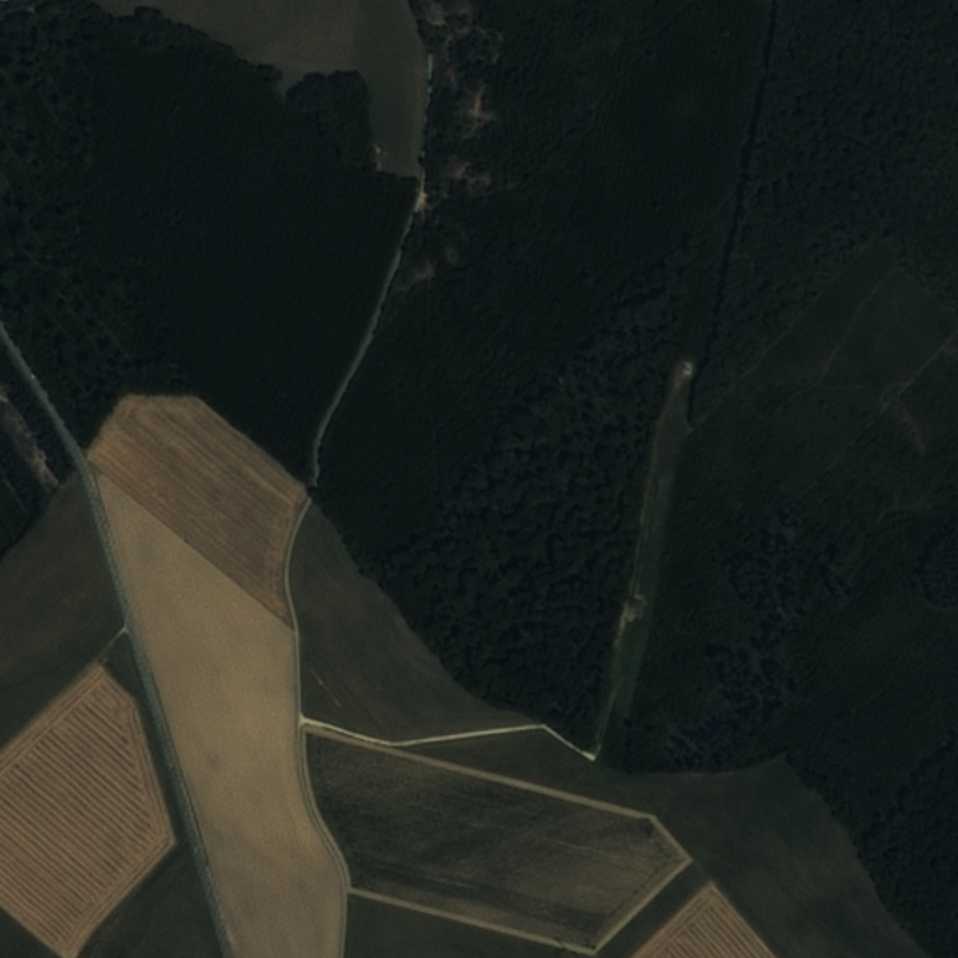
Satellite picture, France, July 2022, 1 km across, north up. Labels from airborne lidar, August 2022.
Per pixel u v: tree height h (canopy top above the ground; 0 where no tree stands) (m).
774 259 20
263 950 0
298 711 0
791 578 25
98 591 0
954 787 22
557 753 0
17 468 24
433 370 8
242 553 0
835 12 20
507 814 0
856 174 19
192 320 9
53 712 0
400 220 7
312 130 9
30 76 21
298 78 0
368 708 0
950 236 15
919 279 12
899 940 0
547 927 0
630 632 0
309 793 0
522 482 20
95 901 0
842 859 0
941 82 15
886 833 20
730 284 17
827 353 0
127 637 0
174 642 0
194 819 0
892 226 17
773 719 33
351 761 0
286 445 8
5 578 0
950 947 16
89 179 7
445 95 13
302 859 0
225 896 0
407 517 10
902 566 6
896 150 19
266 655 0
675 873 0
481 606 22
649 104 8
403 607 13
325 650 0
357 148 23
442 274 10
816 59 19
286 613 0
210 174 8
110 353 23
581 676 23
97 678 0
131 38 19
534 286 7
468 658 7
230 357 7
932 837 22
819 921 0
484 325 8
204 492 0
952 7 14
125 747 0
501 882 0
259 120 7
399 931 0
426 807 0
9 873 0
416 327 6
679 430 0
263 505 0
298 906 0
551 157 7
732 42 6
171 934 0
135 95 6
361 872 0
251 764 0
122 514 0
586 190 9
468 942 0
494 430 8
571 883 0
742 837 0
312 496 11
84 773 0
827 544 8
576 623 28
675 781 0
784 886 0
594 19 6
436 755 0
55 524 0
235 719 0
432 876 0
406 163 0
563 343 7
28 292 7
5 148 22
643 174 6
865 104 19
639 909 0
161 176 6
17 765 0
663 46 7
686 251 19
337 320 7
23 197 7
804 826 0
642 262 8
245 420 9
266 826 0
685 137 6
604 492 25
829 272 15
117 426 0
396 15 0
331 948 0
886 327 0
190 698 0
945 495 6
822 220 19
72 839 0
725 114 6
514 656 26
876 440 6
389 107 0
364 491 7
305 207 9
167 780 0
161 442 0
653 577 0
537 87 7
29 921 0
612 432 19
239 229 10
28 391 24
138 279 7
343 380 6
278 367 7
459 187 15
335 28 0
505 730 0
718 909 0
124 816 0
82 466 0
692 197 7
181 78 7
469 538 22
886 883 18
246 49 0
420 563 29
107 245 6
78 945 0
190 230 8
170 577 0
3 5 10
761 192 15
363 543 7
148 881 0
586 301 10
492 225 6
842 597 30
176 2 0
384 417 7
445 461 8
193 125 7
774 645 31
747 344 17
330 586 0
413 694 0
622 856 0
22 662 0
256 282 7
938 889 19
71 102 7
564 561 18
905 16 20
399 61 0
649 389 20
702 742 32
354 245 9
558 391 19
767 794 0
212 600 0
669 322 20
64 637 0
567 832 0
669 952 0
